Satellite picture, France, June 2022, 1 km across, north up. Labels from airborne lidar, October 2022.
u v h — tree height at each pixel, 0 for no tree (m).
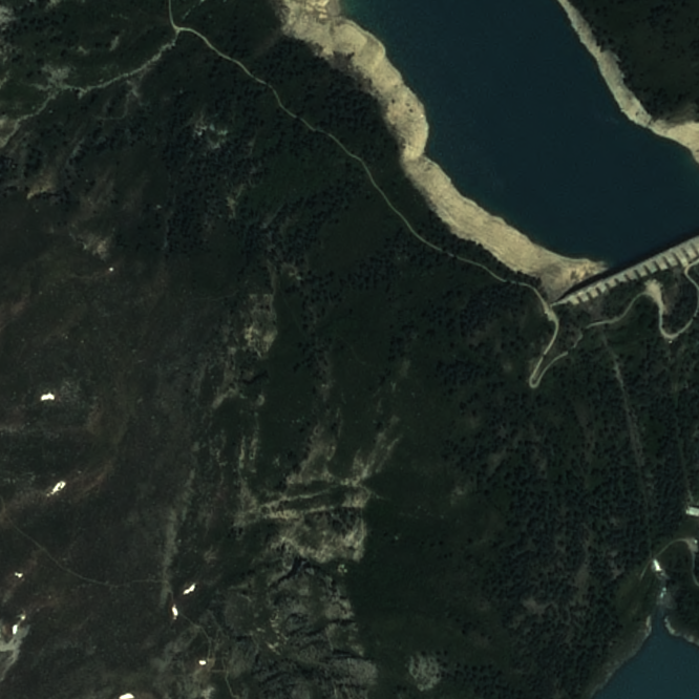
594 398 11
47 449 0
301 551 0
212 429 0
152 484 0
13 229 0
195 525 0
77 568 0
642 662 0
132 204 0
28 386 0
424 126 0
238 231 17
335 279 12
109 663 0
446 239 11
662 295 0
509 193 0
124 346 0
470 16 0
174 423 0
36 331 0
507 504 0
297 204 8
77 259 0
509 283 9
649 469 10
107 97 0
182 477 0
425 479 0
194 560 0
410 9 0
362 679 0
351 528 10
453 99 0
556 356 0
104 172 0
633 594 0
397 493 0
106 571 0
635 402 7
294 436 0
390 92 0
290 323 0
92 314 0
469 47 0
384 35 0
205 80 0
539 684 9
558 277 0
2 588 0
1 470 0
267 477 0
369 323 0
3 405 0
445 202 0
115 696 0
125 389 0
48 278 0
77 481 0
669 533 12
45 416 0
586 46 0
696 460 5
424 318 9
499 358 9
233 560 0
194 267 0
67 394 0
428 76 0
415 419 0
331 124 7
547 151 0
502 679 14
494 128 0
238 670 0
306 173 8
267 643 0
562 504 10
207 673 0
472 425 0
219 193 9
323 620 0
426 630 0
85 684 0
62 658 0
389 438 0
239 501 8
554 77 0
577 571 12
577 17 0
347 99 11
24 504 0
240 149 7
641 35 0
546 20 0
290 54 7
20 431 0
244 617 0
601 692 0
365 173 10
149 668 0
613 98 0
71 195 14
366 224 0
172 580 0
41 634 0
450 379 12
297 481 0
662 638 0
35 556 0
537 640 9
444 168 0
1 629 0
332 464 0
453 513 0
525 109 0
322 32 0
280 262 11
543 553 13
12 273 0
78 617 0
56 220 0
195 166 7
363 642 0
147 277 0
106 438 0
